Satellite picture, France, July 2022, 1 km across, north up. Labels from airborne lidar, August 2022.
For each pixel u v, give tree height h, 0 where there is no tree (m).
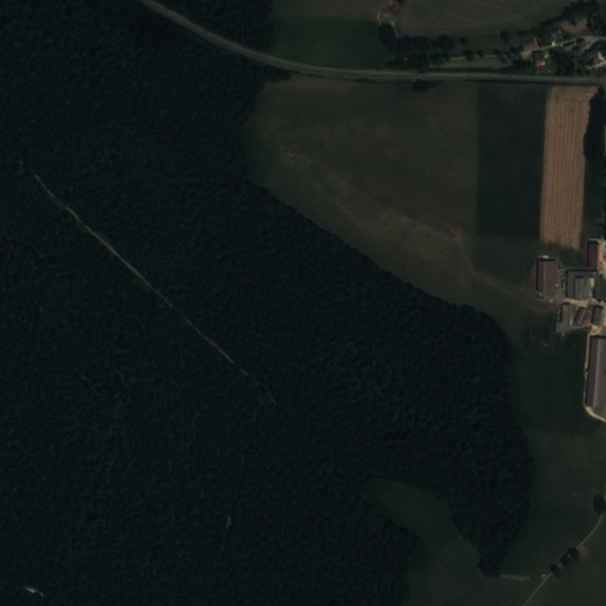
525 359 0
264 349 16
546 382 0
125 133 25
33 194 26
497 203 0
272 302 19
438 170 0
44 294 33
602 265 0
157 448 23
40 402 22
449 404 15
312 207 0
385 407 15
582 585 0
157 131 22
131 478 21
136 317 9
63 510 19
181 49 20
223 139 24
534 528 0
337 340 18
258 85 18
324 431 16
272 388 20
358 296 21
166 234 20
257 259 22
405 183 0
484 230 0
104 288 21
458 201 0
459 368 23
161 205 19
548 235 0
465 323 18
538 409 0
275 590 26
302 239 20
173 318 24
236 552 24
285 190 0
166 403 16
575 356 0
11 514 22
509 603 0
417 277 0
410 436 24
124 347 12
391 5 0
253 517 22
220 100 24
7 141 25
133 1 20
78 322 20
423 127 0
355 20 0
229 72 22
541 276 0
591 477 0
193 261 23
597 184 0
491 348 15
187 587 20
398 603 21
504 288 0
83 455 19
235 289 21
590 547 0
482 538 22
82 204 19
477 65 0
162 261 25
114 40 22
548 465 0
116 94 16
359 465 18
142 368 16
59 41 21
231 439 27
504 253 0
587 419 0
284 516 21
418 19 0
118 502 22
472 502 27
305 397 21
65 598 18
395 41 21
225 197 21
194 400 22
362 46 0
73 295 21
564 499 0
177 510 21
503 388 16
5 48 21
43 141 22
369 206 0
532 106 0
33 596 22
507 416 19
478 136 0
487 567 22
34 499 20
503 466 23
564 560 12
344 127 0
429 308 20
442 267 0
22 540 23
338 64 0
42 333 21
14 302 18
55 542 24
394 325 24
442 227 0
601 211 0
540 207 0
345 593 24
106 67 18
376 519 24
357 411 19
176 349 25
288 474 26
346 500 25
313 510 25
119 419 26
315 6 0
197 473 21
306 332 22
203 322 21
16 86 21
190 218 14
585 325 0
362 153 0
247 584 24
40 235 21
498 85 0
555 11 0
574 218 0
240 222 22
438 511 0
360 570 23
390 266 0
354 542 22
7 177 28
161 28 17
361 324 13
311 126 0
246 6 17
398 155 0
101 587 24
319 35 0
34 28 20
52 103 21
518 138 0
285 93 0
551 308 0
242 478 17
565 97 0
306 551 26
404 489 0
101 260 23
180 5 19
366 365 16
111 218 17
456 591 0
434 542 0
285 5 0
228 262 22
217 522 23
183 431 14
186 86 20
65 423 20
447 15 0
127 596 28
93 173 27
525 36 7
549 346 0
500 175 0
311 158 0
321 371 17
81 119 19
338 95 0
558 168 0
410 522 0
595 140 26
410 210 0
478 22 0
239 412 23
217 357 23
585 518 0
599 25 7
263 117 0
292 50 0
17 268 14
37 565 22
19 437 23
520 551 0
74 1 9
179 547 24
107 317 20
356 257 18
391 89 0
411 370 22
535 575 0
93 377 10
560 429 0
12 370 25
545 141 0
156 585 23
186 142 23
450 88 0
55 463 21
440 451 18
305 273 17
